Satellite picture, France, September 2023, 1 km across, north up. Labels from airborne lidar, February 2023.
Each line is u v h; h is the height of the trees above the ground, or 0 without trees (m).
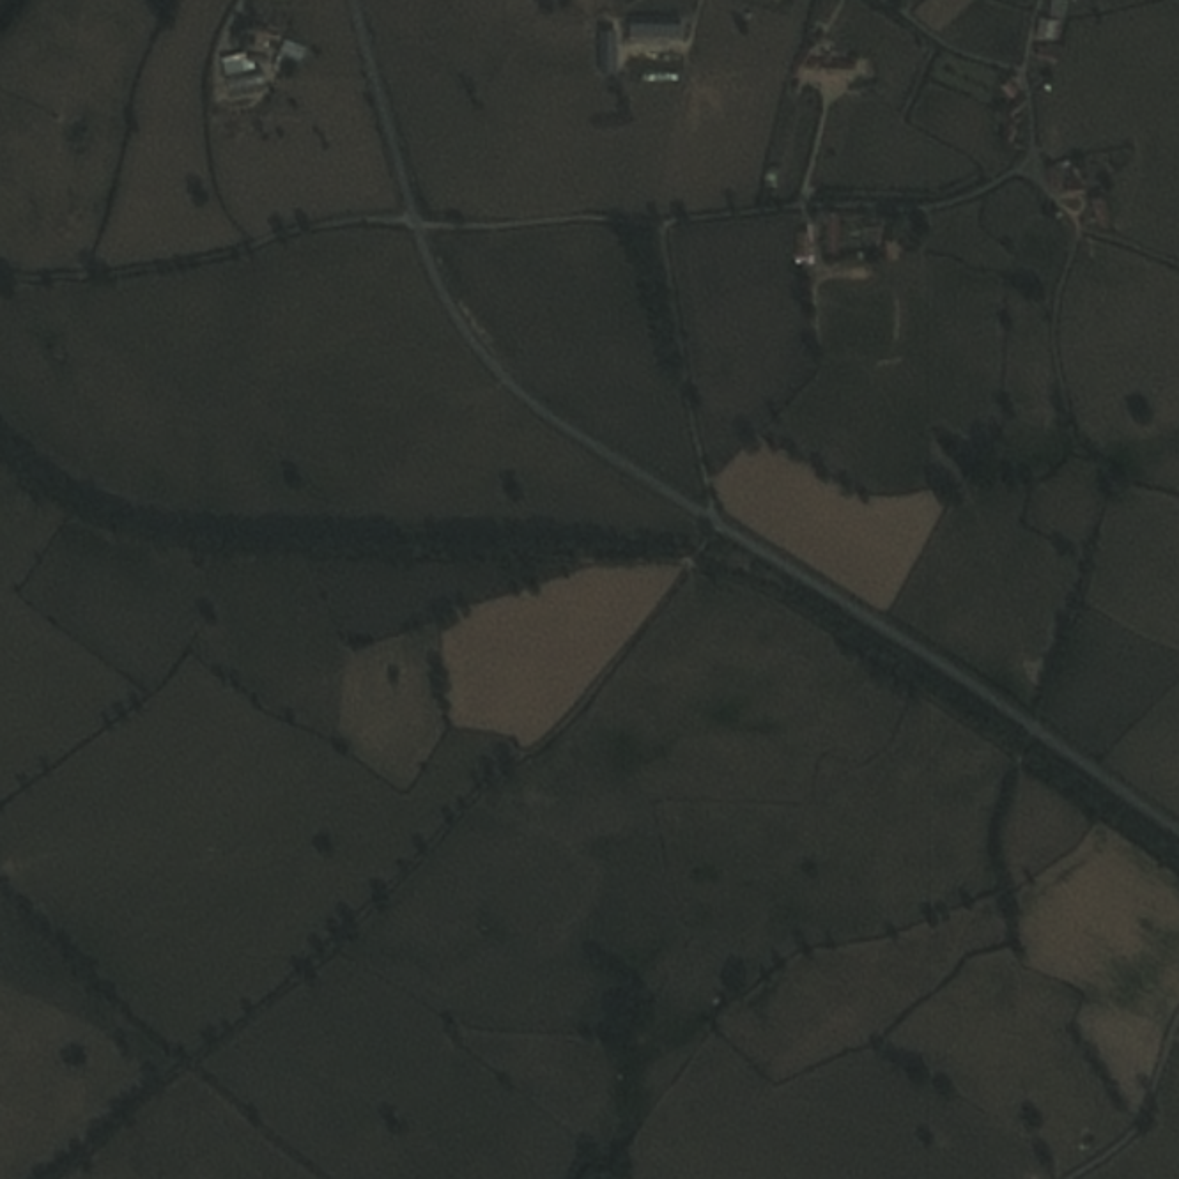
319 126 0
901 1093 0
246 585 0
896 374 0
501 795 0
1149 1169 0
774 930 0
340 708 0
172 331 0
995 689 0
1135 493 0
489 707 0
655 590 0
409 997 0
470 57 0
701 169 0
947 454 8
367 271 0
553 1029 0
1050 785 10
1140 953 0
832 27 0
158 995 0
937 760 0
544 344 0
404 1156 0
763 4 0
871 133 0
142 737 0
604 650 0
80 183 0
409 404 0
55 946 17
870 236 0
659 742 0
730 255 0
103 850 0
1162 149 0
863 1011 0
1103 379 0
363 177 0
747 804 0
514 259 0
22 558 0
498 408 0
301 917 0
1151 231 0
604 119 0
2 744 0
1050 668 12
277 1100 0
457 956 0
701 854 0
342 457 0
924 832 0
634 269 16
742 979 13
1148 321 0
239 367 0
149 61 0
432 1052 0
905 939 0
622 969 16
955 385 0
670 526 0
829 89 0
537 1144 0
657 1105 0
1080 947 0
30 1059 0
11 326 0
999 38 0
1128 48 0
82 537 0
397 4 0
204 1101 0
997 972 0
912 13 0
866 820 0
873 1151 0
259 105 0
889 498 0
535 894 0
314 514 0
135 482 0
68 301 0
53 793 0
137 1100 12
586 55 0
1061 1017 0
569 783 0
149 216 0
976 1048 0
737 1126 0
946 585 0
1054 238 0
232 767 0
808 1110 0
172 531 21
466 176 0
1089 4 0
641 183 0
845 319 0
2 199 0
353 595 0
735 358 0
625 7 0
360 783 0
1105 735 0
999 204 0
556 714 0
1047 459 0
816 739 0
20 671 0
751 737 0
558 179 0
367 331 0
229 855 0
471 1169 0
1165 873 0
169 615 0
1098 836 0
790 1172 0
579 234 0
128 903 0
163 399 0
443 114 0
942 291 0
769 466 0
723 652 0
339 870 0
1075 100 0
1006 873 6
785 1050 0
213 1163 0
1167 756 0
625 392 0
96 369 0
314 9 0
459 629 0
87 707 0
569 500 0
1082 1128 0
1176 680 0
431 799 0
